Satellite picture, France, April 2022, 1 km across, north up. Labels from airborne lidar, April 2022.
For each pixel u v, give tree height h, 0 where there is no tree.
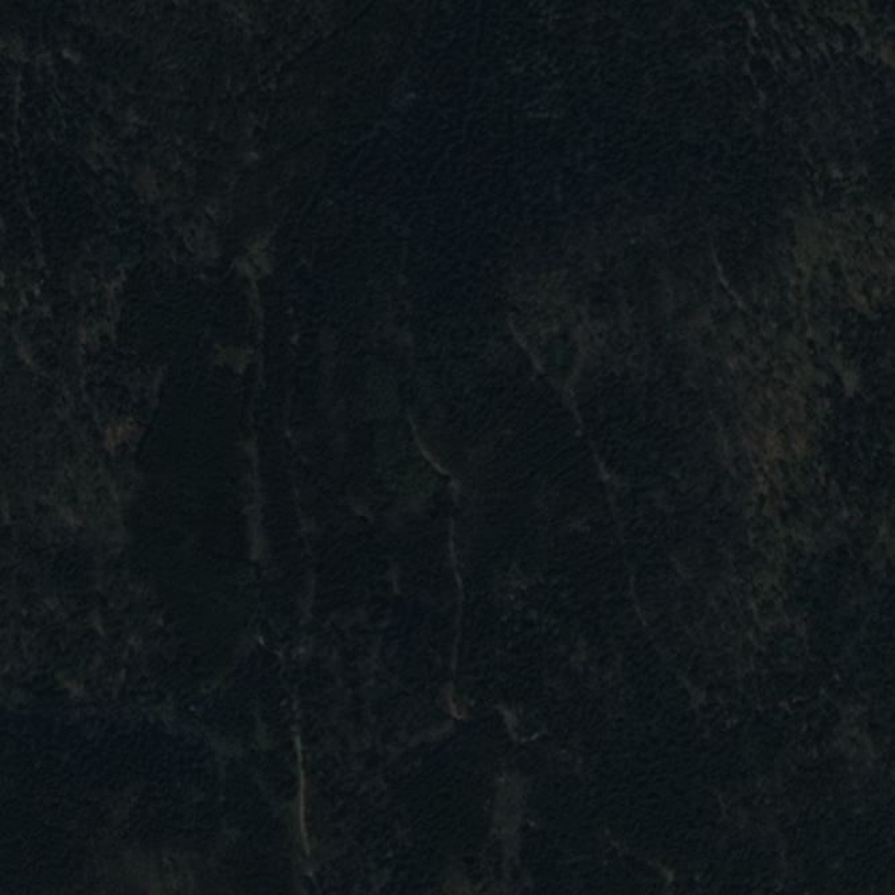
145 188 36
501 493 20
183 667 28
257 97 24
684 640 21
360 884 21
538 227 24
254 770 27
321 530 13
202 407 26
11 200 35
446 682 13
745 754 33
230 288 25
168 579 20
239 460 25
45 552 25
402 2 24
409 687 14
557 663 25
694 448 23
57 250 34
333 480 14
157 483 15
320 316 25
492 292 23
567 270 24
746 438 19
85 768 31
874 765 31
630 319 25
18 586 28
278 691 30
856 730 31
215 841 25
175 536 20
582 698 23
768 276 19
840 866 28
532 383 25
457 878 11
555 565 18
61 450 30
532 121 29
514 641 22
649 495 23
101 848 23
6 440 24
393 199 25
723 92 18
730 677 23
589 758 20
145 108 22
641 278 26
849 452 34
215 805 26
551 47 24
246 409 20
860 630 28
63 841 28
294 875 25
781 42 17
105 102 35
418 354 15
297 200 21
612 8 28
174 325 25
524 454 25
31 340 27
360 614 17
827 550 37
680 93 26
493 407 24
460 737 20
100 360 33
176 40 20
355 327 24
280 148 16
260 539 22
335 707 11
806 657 28
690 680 21
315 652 23
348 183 25
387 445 16
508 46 28
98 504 24
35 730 30
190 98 13
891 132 29
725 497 21
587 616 24
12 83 28
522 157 25
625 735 24
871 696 32
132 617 27
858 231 27
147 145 29
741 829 26
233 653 21
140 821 21
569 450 22
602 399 26
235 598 23
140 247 39
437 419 15
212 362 28
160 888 23
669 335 24
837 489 35
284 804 23
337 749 7
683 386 25
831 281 25
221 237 24
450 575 12
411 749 13
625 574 22
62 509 27
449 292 23
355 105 28
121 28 22
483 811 20
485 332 25
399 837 15
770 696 26
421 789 18
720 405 24
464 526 13
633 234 28
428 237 21
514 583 20
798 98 28
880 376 32
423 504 18
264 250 11
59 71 32
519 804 24
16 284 25
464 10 27
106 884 22
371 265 20
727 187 21
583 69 25
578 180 24
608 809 20
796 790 26
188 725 24
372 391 19
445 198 27
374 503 14
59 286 27
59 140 30
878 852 24
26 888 26
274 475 23
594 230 25
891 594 29
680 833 24
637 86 24
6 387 28
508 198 29
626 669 16
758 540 25
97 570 28
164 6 14
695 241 22
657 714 30
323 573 19
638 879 22
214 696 25
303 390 21
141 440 33
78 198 30
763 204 25
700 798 26
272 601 29
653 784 26
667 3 19
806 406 30
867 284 10
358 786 13
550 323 25
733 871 22
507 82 27
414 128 26
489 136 27
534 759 28
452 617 15
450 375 15
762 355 16
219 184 21
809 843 28
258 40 27
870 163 27
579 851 18
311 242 25
